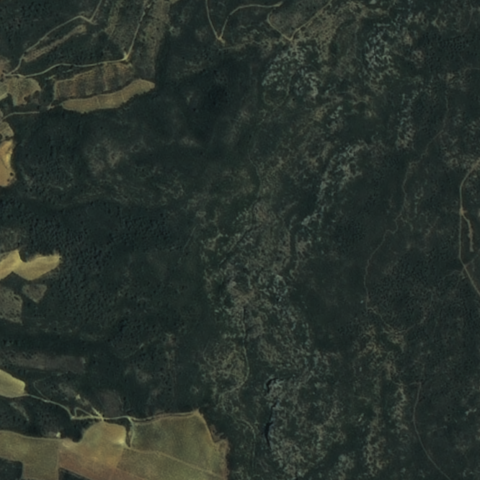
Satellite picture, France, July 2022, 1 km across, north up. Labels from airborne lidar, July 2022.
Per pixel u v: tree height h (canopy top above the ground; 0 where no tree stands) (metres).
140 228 10
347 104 0
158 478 0
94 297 12
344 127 0
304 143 0
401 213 0
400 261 6
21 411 0
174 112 0
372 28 0
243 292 0
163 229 8
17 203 13
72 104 0
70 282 12
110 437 0
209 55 12
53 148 12
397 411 0
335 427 0
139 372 0
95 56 6
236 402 0
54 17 0
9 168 0
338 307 0
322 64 0
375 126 0
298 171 0
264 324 0
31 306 11
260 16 0
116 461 0
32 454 0
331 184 0
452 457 0
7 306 0
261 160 0
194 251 0
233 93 5
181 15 0
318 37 0
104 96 0
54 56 10
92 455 0
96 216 0
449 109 0
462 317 6
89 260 7
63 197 14
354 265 0
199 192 0
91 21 0
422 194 0
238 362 0
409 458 0
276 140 0
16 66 0
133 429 0
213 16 0
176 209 0
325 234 0
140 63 0
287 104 0
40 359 0
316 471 0
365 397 0
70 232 8
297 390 0
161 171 0
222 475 0
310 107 0
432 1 0
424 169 0
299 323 0
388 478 0
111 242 10
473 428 0
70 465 0
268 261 0
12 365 7
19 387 0
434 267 6
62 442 0
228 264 0
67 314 9
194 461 0
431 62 6
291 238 0
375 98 0
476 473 0
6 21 6
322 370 0
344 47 0
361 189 0
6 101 7
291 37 0
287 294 0
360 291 0
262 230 0
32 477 0
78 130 8
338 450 0
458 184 0
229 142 0
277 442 0
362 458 0
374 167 0
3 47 0
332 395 0
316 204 0
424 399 7
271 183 0
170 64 0
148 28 0
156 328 12
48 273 0
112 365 10
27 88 0
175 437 0
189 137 0
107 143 0
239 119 0
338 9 0
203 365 0
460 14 0
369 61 0
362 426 0
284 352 0
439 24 0
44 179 9
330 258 0
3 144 0
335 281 0
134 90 0
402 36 0
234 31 0
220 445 0
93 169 0
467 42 6
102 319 8
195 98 0
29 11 10
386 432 0
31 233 9
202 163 0
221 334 0
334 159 0
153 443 0
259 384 0
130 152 0
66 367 0
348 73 0
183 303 0
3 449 0
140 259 0
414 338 7
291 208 0
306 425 0
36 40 0
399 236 0
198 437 0
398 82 0
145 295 7
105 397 0
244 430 0
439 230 0
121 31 0
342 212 0
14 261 0
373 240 0
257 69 0
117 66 0
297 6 0
